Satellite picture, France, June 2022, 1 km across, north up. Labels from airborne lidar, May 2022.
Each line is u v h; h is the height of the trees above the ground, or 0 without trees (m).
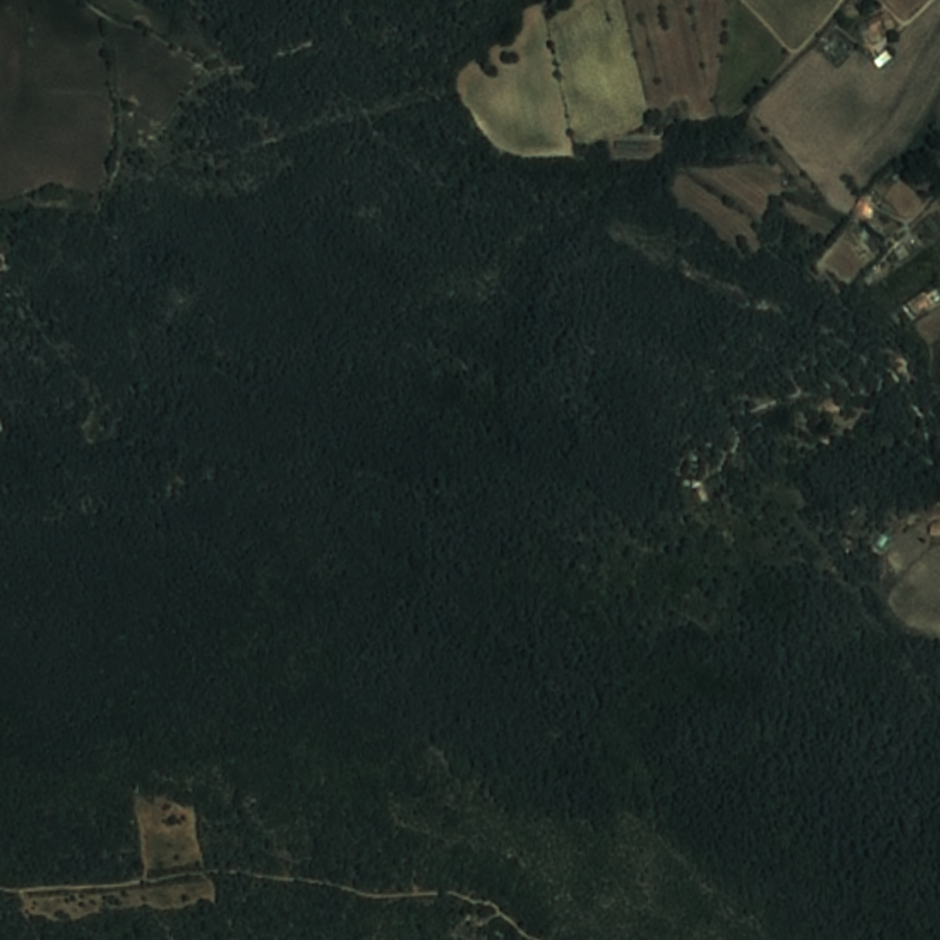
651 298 8
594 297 7
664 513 12
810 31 0
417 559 12
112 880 8
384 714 9
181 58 0
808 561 6
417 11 12
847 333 12
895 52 8
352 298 8
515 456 10
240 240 12
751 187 0
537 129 0
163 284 7
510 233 10
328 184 9
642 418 11
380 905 7
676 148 10
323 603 11
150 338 6
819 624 11
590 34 0
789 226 9
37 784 6
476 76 0
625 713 10
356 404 9
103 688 8
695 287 10
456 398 14
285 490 10
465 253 10
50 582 11
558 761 16
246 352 10
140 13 0
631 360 9
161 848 0
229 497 9
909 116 0
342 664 9
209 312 9
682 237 9
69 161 0
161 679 7
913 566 0
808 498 8
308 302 11
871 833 18
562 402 10
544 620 12
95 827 9
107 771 6
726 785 17
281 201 8
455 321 10
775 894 9
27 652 10
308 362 9
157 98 0
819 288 17
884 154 0
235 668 8
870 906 11
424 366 12
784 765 17
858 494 18
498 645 15
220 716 9
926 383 12
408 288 10
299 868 7
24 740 10
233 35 8
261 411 10
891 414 18
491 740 15
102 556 7
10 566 7
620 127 0
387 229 9
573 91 0
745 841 17
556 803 14
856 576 10
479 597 13
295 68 13
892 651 8
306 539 9
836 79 0
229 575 10
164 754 10
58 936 8
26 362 6
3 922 8
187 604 8
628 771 12
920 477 21
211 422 11
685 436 10
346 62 7
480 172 14
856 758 13
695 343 7
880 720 13
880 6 14
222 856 6
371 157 7
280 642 9
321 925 7
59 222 10
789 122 0
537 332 11
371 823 10
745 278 8
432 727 13
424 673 13
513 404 9
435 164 9
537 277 11
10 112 0
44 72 0
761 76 0
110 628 9
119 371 8
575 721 13
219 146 5
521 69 0
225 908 8
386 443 11
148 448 9
